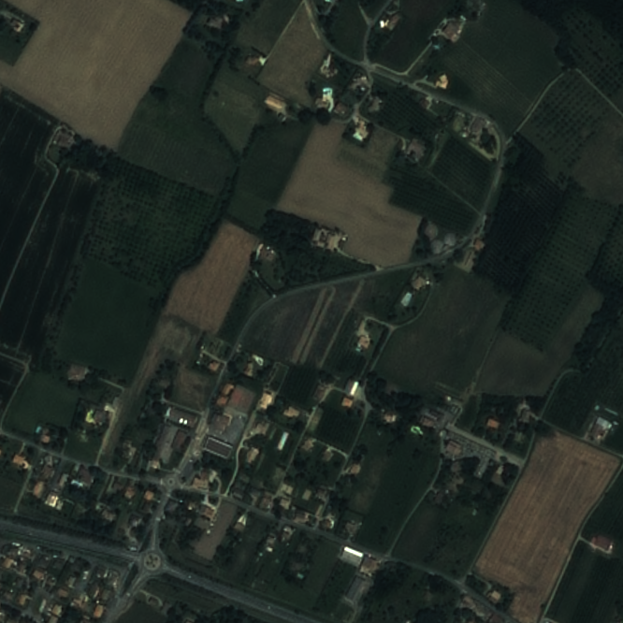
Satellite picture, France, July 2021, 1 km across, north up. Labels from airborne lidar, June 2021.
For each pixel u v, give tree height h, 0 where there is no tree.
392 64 0
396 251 0
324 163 0
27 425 0
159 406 12
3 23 14
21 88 0
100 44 0
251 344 0
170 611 13
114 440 0
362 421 0
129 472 10
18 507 0
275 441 0
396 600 0
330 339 0
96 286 0
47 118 0
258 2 6
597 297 0
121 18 0
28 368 0
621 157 0
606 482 0
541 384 0
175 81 0
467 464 11
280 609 0
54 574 0
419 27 0
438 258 0
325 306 0
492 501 7
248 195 0
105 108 0
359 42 0
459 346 0
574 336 0
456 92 0
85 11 0
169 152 0
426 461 0
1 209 0
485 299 0
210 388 0
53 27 0
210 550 0
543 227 17
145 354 0
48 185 0
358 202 0
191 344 0
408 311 8
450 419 0
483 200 0
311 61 0
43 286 0
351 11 0
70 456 0
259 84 7
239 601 0
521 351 0
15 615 8
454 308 0
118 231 8
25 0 0
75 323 0
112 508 12
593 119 7
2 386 0
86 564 8
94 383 9
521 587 0
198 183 0
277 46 0
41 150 0
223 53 10
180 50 0
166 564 0
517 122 0
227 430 0
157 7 0
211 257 0
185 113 0
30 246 0
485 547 0
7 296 0
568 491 0
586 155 0
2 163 0
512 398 8
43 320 0
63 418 0
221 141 10
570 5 17
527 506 0
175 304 0
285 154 0
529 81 0
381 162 0
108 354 0
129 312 0
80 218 0
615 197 0
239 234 0
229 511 0
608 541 0
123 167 10
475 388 0
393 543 0
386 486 0
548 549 0
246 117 0
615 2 17
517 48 0
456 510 0
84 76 0
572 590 0
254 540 0
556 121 6
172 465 0
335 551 0
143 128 0
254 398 0
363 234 0
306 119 14
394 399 12
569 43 11
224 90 0
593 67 6
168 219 10
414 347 0
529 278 8
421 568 0
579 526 0
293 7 0
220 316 0
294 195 0
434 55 6
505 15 0
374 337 0
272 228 16
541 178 15
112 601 0
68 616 14
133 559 0
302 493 0
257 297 0
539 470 0
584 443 0
